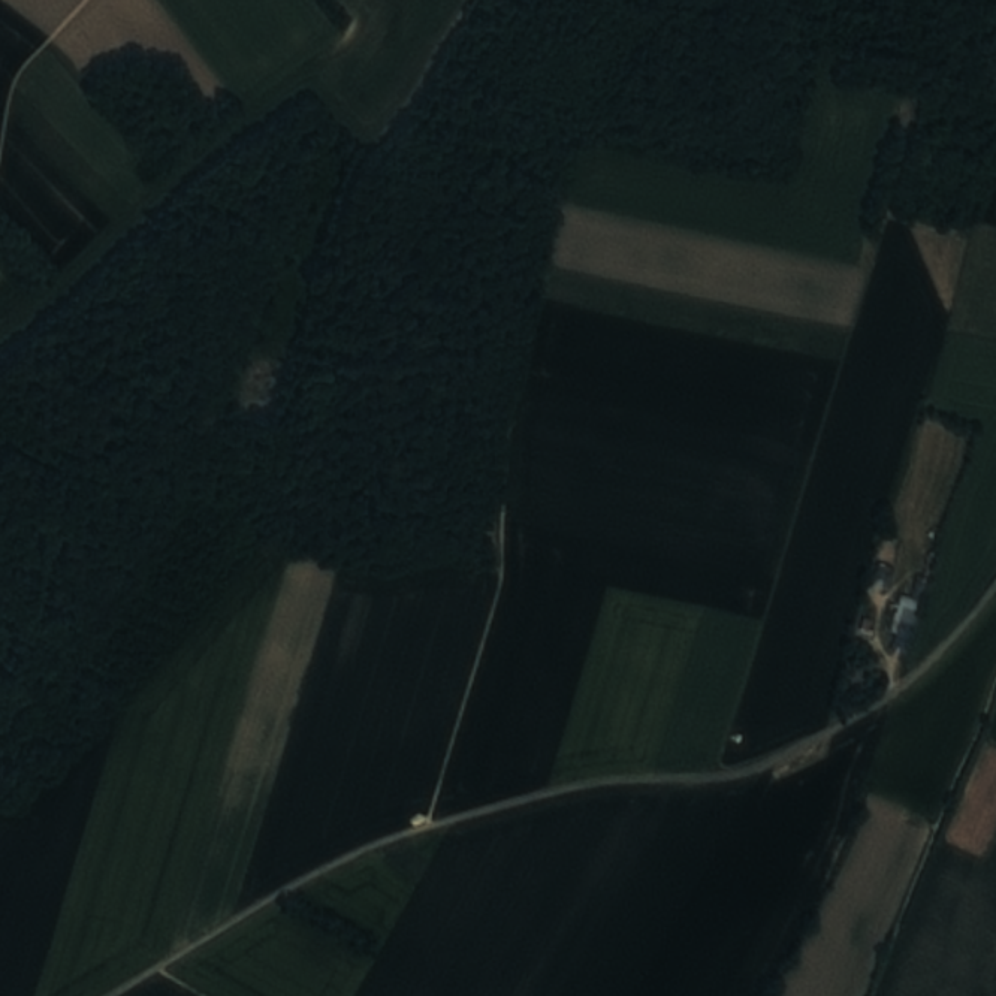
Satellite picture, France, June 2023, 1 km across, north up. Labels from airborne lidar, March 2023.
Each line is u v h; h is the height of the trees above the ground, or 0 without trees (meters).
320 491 25
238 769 0
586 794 0
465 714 0
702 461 0
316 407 23
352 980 0
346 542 23
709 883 0
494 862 0
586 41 12
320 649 0
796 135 17
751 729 0
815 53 20
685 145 15
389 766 0
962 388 0
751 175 13
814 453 0
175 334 26
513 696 0
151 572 9
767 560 0
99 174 0
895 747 0
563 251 0
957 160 20
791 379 0
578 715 0
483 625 0
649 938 0
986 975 0
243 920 0
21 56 0
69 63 0
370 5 0
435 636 0
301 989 0
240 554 7
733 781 0
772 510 0
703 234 0
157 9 0
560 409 0
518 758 0
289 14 0
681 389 0
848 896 0
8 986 0
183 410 23
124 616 12
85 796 0
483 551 16
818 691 0
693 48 21
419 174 26
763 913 0
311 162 19
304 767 0
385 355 26
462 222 24
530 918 0
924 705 0
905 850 0
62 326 23
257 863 0
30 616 24
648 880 0
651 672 0
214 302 24
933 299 0
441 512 22
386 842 0
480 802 0
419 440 25
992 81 22
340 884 0
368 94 0
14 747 17
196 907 0
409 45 0
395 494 27
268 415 19
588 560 0
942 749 0
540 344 0
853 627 8
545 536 0
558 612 0
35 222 0
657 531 0
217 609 0
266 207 24
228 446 27
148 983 0
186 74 16
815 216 0
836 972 0
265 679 0
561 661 0
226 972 0
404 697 0
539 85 13
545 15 13
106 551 22
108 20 0
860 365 0
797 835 0
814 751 0
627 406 0
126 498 25
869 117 0
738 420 0
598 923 0
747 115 23
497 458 22
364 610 0
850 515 0
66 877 0
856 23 20
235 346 25
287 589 0
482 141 11
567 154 19
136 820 0
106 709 18
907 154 18
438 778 0
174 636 9
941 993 0
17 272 13
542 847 0
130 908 0
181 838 0
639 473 0
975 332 0
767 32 26
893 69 20
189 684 0
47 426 15
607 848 0
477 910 0
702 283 0
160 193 0
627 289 0
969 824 0
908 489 0
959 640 0
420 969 0
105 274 19
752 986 0
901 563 0
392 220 27
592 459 0
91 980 0
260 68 0
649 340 0
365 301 26
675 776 0
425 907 0
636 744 0
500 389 23
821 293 0
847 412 0
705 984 0
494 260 23
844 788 0
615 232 0
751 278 0
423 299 26
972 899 0
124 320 19
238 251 24
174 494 23
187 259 23
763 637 0
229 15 0
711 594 0
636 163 0
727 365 0
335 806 0
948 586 0
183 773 0
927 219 14
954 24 20
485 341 23
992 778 0
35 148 0
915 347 0
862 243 0
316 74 0
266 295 26
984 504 0
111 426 25
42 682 21
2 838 0
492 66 17
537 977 0
